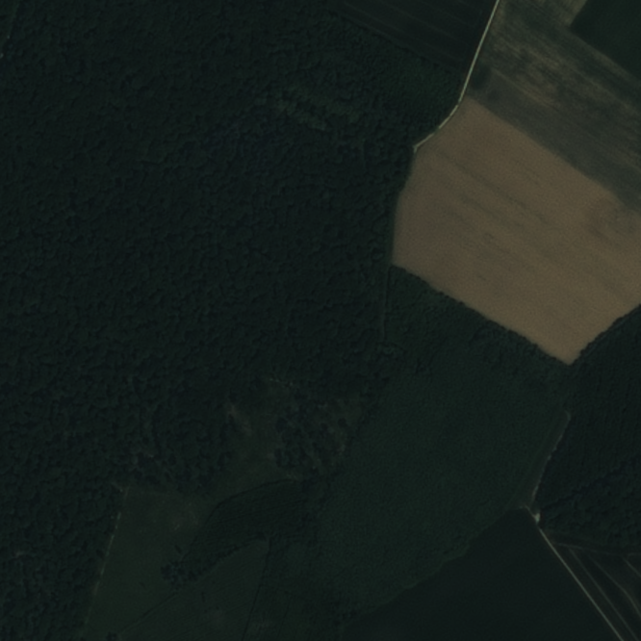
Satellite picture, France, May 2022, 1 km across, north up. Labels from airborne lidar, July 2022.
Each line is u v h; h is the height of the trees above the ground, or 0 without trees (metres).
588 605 0
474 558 0
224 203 29
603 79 0
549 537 0
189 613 0
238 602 0
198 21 33
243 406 32
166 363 30
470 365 18
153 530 0
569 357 0
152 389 23
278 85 23
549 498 14
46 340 29
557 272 0
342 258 31
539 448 20
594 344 8
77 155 33
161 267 28
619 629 0
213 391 29
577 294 0
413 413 18
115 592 0
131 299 29
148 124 32
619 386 17
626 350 19
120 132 32
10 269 29
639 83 0
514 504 0
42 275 32
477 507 22
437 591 0
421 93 13
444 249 0
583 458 15
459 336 14
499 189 0
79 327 28
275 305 30
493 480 19
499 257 0
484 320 9
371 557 16
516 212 0
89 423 30
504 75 0
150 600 0
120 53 33
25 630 28
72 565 29
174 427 31
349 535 19
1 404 29
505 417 19
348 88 31
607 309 0
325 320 31
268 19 32
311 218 30
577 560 0
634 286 0
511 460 19
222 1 23
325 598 11
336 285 33
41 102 32
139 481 30
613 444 17
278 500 8
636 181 0
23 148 27
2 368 31
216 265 30
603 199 0
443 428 19
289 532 9
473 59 0
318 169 30
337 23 18
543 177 0
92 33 31
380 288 25
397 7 0
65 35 31
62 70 32
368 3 0
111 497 26
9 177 28
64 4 31
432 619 0
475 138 0
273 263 29
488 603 0
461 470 18
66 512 30
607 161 0
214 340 15
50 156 33
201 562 11
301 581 11
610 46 0
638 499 31
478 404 18
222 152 30
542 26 0
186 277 26
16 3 18
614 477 25
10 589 29
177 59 27
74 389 28
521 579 0
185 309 29
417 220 0
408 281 10
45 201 31
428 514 17
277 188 28
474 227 0
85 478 23
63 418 30
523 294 0
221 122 28
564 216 0
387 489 19
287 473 24
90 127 30
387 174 26
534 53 0
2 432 29
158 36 33
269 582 7
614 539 25
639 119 0
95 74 31
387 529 18
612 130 0
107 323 29
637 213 0
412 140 23
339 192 30
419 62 14
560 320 0
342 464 17
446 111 15
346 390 29
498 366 27
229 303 27
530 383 25
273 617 6
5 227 26
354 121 26
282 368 28
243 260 31
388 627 0
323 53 25
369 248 24
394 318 11
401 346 10
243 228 30
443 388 19
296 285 31
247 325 28
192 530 0
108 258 29
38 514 30
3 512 27
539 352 12
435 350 12
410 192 0
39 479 27
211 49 29
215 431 29
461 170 0
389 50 16
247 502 7
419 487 19
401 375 20
